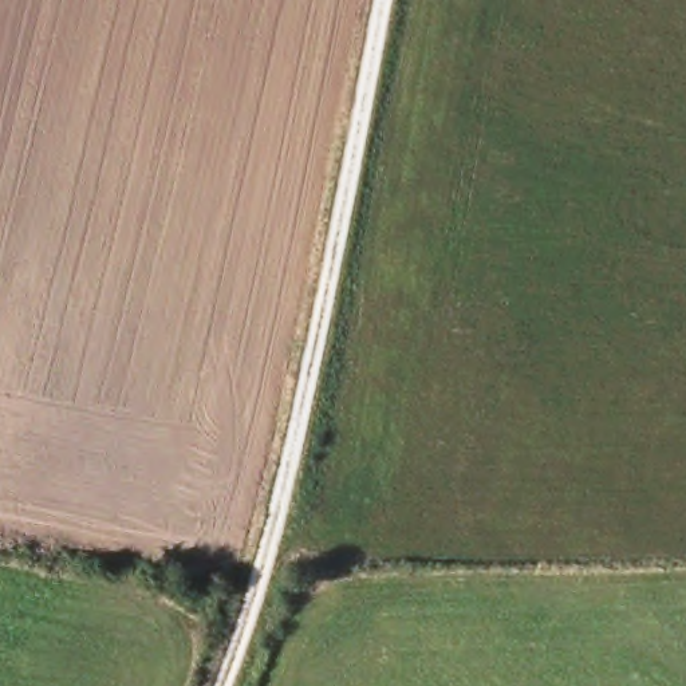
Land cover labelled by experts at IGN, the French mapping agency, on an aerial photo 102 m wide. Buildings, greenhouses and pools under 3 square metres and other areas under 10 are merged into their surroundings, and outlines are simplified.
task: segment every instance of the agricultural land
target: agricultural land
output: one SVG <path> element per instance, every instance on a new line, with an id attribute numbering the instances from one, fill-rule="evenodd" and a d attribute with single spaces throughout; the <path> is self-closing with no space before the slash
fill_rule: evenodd
<path id="1" fill-rule="evenodd" d="M 311 603 L 297 616 L 295 635 L 281 648 L 279 665 L 271 678 L 273 686 L 686 686 L 686 0 L 394 0 L 356 201 L 351 212 L 346 255 L 335 292 L 332 322 L 327 332 L 327 348 L 322 359 L 303 458 L 292 488 L 292 501 L 276 560 L 279 565 L 289 565 L 297 563 L 297 573 L 303 579 L 311 579 L 316 587 Z"/>
<path id="2" fill-rule="evenodd" d="M 206 622 L 188 603 L 180 603 L 169 595 L 158 595 L 155 600 L 145 598 L 142 592 L 134 592 L 129 587 L 123 576 L 118 576 L 115 584 L 105 592 L 88 584 L 70 584 L 51 576 L 40 579 L 35 573 L 21 573 L 11 568 L 0 571 L 0 686 L 193 686 L 204 651 Z"/>
<path id="3" fill-rule="evenodd" d="M 86 560 L 99 563 L 107 573 L 131 571 L 142 555 L 155 560 L 166 555 L 169 563 L 182 571 L 188 590 L 206 595 L 212 581 L 228 581 L 233 592 L 247 595 L 247 590 L 257 581 L 255 560 L 268 525 L 271 498 L 292 421 L 303 351 L 311 330 L 314 300 L 322 279 L 324 249 L 356 102 L 372 0 L 0 0 L 0 544 L 13 547 L 38 539 L 43 547 L 51 549 L 62 544 L 86 547 L 91 549 Z"/>

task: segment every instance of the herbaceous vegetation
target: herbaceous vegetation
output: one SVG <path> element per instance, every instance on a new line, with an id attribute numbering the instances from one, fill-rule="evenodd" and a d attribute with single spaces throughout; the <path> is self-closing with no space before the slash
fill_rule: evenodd
<path id="1" fill-rule="evenodd" d="M 292 576 L 289 565 L 279 565 L 276 560 L 236 686 L 257 686 L 268 659 L 268 643 L 263 638 L 276 624 L 281 624 L 281 616 L 289 608 L 289 598 L 281 587 Z"/>

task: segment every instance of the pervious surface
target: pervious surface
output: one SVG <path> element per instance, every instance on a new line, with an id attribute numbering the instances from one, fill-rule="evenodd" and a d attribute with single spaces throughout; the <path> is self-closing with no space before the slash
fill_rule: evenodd
<path id="1" fill-rule="evenodd" d="M 322 359 L 327 348 L 327 332 L 332 322 L 335 292 L 346 255 L 351 212 L 356 201 L 394 0 L 372 0 L 356 102 L 324 249 L 322 279 L 314 300 L 311 330 L 303 351 L 292 421 L 271 498 L 268 525 L 255 560 L 257 581 L 247 590 L 247 595 L 244 611 L 238 616 L 225 659 L 220 665 L 220 686 L 236 686 L 276 560 L 292 501 L 292 488 L 303 458 Z"/>

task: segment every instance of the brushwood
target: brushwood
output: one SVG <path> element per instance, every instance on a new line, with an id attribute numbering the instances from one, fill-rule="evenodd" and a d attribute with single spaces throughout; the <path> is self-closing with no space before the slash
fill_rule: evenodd
<path id="1" fill-rule="evenodd" d="M 316 587 L 311 579 L 303 579 L 297 573 L 297 563 L 289 565 L 292 576 L 281 587 L 289 598 L 289 608 L 281 616 L 281 624 L 276 624 L 263 638 L 268 643 L 268 659 L 257 686 L 273 686 L 271 678 L 279 665 L 281 648 L 295 635 L 297 616 L 311 603 Z"/>
<path id="2" fill-rule="evenodd" d="M 247 595 L 233 592 L 228 581 L 212 581 L 206 595 L 188 590 L 182 571 L 169 563 L 166 555 L 155 560 L 142 555 L 131 571 L 107 573 L 99 563 L 86 560 L 91 549 L 86 547 L 62 544 L 51 549 L 43 547 L 38 539 L 13 547 L 0 544 L 0 571 L 11 568 L 21 573 L 35 573 L 40 579 L 51 576 L 70 584 L 88 584 L 105 592 L 115 584 L 118 576 L 123 576 L 129 587 L 134 592 L 142 592 L 145 598 L 155 600 L 158 595 L 169 595 L 180 603 L 188 603 L 206 622 L 204 651 L 193 686 L 220 686 L 220 665 L 225 659 L 238 616 L 244 611 Z"/>

